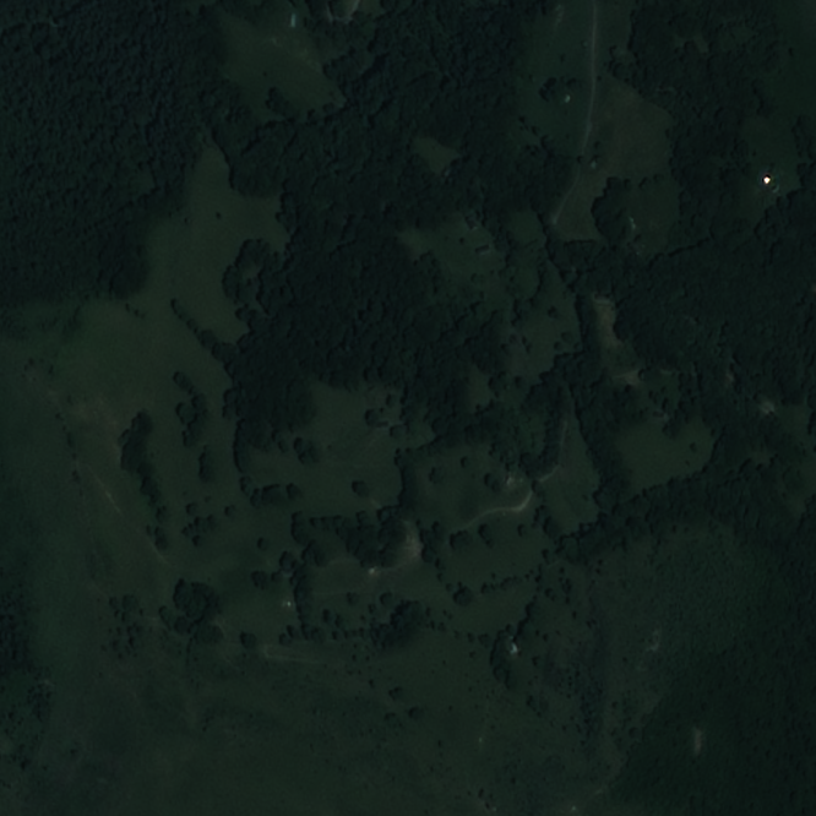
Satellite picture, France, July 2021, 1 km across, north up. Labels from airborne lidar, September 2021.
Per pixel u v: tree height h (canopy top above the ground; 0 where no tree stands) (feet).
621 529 41
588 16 0
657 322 102
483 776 0
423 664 0
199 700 0
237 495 0
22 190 38
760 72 60
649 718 20
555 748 0
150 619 0
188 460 0
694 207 52
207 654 0
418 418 55
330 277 115
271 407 84
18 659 55
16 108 47
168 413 0
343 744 0
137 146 60
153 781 0
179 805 0
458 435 67
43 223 39
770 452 26
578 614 25
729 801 26
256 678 0
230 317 0
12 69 72
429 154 0
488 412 31
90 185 57
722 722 27
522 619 0
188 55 63
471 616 0
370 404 0
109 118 46
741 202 40
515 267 45
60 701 0
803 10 0
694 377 38
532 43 30
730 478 38
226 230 0
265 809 0
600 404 84
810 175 69
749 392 111
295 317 104
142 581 0
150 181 0
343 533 49
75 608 0
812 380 50
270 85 0
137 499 0
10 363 0
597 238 0
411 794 0
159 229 0
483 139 103
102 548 0
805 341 66
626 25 0
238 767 0
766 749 32
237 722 0
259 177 101
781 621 26
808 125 74
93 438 0
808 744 52
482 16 73
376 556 84
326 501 0
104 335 0
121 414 0
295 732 0
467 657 0
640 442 0
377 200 85
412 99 94
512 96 73
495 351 89
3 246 32
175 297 0
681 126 25
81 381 0
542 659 25
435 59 47
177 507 0
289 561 53
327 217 78
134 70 62
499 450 48
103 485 0
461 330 62
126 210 55
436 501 0
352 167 83
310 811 0
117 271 51
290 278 81
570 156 23
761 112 32
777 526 85
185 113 64
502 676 53
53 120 62
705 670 26
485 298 41
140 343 0
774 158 0
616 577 0
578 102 0
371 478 0
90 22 79
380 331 103
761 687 33
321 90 0
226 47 72
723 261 104
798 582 56
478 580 0
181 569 0
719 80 94
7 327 19
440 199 81
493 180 85
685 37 31
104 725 0
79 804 0
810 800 28
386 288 101
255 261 57
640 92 53
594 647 0
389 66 92
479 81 71
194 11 29
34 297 27
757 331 102
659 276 92
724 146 47
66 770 0
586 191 0
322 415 0
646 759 24
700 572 22
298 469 0
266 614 0
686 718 27
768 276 100
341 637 49
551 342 0
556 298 0
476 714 0
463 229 0
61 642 0
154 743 0
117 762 0
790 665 29
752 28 33
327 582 0
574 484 0
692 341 101
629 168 0
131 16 66
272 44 0
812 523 68
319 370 62
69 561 0
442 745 30
